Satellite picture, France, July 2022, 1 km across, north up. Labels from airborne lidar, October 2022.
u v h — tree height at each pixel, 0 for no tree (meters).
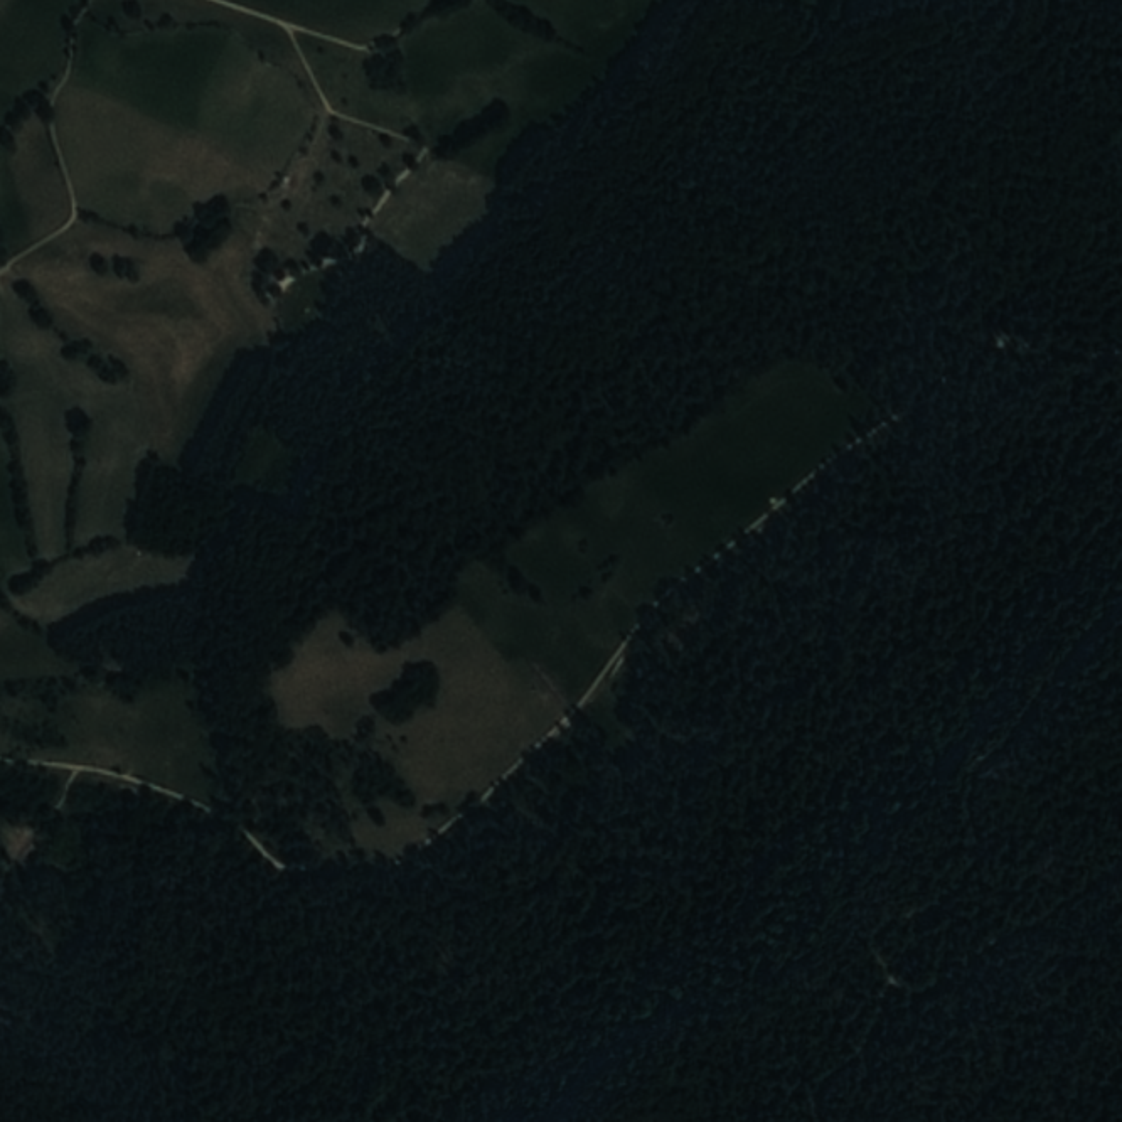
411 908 21
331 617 0
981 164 24
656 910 30
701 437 0
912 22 32
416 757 0
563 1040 22
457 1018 27
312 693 0
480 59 0
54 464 0
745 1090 23
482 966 17
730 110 16
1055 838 7
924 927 21
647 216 21
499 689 0
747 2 29
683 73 26
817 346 22
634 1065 13
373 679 0
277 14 0
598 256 25
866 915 14
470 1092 13
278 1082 17
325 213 0
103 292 0
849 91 19
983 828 20
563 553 0
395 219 0
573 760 30
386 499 14
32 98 13
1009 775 9
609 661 0
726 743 31
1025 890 12
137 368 0
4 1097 26
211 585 26
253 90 0
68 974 14
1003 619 28
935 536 26
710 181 25
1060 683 13
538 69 0
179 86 0
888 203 19
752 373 19
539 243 27
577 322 24
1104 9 23
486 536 7
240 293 0
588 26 0
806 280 24
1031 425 26
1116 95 10
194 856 10
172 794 0
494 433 14
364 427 16
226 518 10
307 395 25
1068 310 13
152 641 15
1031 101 16
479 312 20
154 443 0
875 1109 18
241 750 22
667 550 0
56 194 0
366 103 0
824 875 25
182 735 0
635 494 0
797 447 0
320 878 22
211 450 21
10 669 0
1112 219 10
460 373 21
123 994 22
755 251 24
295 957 17
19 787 6
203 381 0
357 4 0
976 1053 16
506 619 0
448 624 0
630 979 21
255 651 26
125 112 0
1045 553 16
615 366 27
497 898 27
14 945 31
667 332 12
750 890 14
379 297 28
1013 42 18
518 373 17
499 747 0
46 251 0
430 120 0
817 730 28
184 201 0
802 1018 25
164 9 0
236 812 12
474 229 0
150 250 0
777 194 25
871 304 23
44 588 0
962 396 32
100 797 7
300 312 0
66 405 0
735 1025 19
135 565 0
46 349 0
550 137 24
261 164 0
